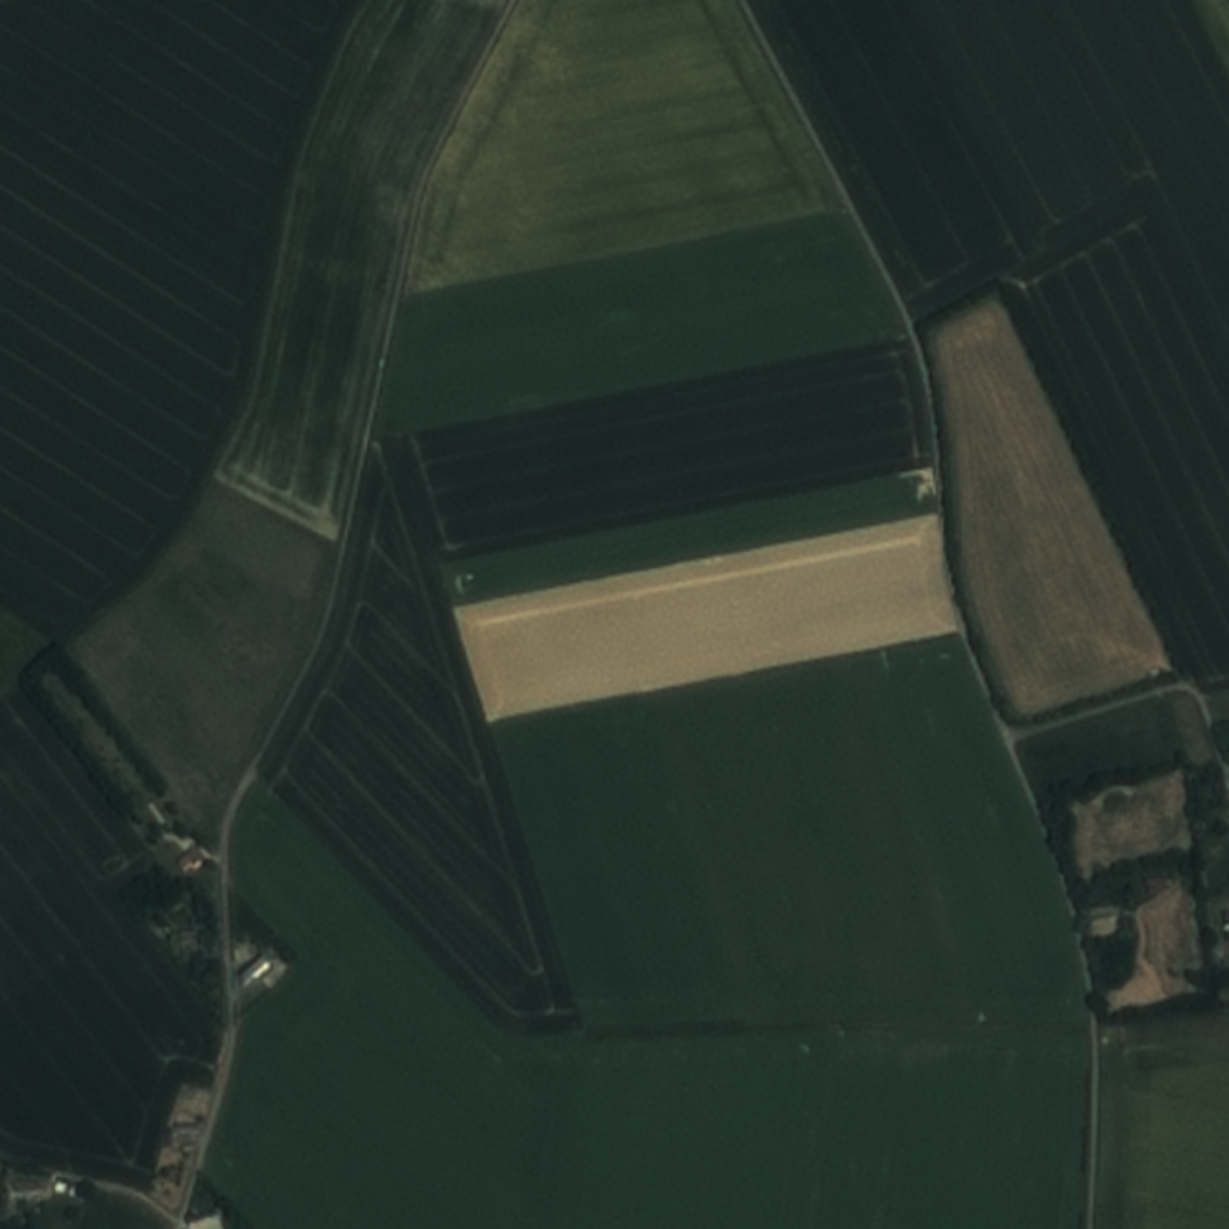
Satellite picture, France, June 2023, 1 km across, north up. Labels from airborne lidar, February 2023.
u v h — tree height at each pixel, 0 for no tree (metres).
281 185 0
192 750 0
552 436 0
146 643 0
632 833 0
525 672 0
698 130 0
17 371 0
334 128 0
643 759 0
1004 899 0
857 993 0
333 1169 0
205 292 0
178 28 0
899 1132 0
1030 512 0
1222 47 0
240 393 0
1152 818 0
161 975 0
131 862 0
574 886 0
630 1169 0
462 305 0
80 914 0
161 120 0
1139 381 0
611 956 0
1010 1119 0
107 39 0
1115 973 7
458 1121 0
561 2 0
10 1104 0
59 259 0
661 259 0
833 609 0
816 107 0
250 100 0
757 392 0
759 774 0
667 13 0
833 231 0
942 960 0
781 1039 0
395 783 0
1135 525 0
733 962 0
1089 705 8
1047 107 0
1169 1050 0
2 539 0
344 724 0
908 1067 0
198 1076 0
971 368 0
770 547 0
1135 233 0
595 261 0
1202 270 0
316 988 0
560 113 0
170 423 0
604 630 0
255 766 0
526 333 0
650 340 0
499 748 0
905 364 0
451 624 0
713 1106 0
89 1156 0
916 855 0
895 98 0
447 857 0
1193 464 0
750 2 0
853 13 0
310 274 0
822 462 0
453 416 0
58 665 17
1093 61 0
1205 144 0
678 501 0
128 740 11
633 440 0
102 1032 0
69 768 0
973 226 0
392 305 0
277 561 0
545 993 0
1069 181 0
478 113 0
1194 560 0
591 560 0
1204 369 0
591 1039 0
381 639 0
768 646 0
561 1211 0
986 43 0
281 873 0
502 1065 0
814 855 0
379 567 0
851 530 0
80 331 0
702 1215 0
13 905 0
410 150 0
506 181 0
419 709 0
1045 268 0
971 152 0
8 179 0
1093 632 0
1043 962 0
